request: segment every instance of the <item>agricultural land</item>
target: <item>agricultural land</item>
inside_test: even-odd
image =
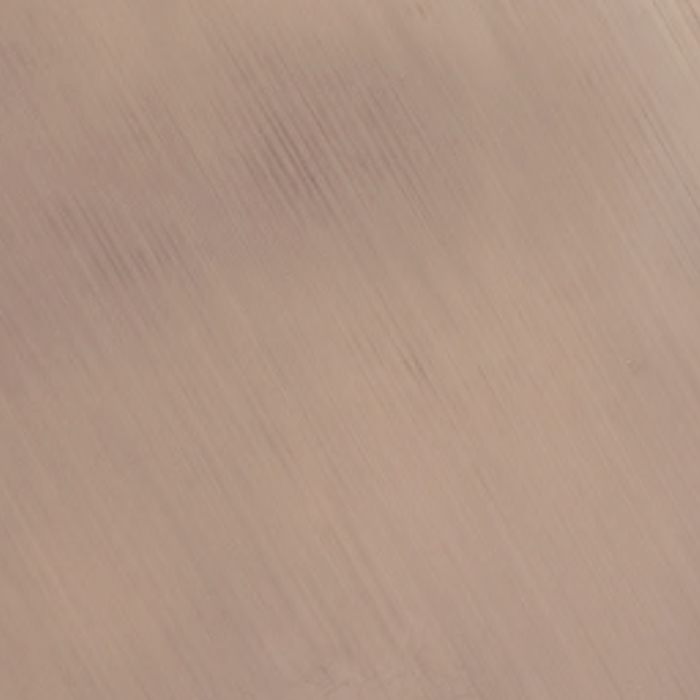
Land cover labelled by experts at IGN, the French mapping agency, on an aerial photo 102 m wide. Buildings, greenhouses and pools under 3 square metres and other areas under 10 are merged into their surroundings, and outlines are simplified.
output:
[[[0,700],[700,700],[700,0],[0,0]]]

